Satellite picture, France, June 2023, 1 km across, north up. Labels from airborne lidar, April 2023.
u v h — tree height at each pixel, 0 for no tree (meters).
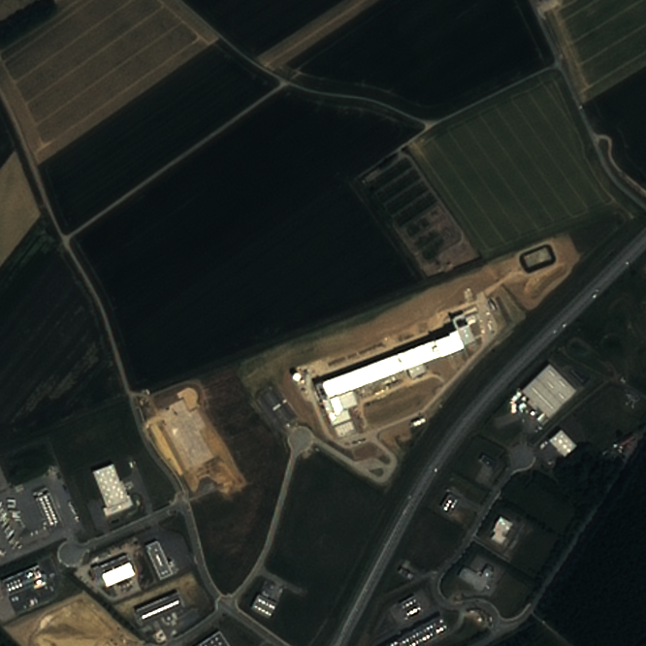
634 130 0
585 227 0
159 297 0
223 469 0
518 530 0
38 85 0
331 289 0
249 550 0
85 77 0
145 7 0
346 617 0
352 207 0
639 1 0
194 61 0
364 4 0
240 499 0
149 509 0
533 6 0
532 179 0
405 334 0
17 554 0
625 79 0
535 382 0
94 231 0
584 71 0
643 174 0
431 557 0
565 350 0
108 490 0
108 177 0
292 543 0
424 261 0
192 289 0
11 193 0
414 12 0
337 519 0
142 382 0
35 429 0
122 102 0
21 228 0
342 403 0
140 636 0
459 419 0
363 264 0
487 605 0
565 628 9
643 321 0
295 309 0
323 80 0
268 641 0
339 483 0
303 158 0
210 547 0
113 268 0
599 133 0
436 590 0
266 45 0
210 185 0
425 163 0
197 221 0
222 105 0
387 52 0
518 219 0
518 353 0
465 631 0
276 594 0
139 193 0
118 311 0
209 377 0
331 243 0
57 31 0
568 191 0
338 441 0
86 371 0
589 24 0
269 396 0
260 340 0
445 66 0
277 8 0
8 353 0
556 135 0
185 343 0
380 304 0
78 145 0
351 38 0
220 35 0
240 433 0
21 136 0
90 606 0
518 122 0
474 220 0
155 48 0
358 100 0
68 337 0
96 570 0
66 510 0
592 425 0
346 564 0
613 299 0
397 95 0
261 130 0
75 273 0
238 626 0
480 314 0
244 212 0
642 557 9
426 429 0
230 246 0
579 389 0
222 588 0
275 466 0
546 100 0
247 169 0
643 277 0
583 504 12
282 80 0
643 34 0
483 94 0
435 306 0
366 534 0
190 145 0
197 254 0
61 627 0
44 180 0
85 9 0
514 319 0
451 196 0
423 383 0
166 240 0
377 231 0
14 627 0
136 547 0
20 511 0
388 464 0
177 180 0
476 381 0
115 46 0
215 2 0
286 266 0
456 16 0
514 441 0
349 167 0
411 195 0
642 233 0
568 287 0
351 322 0
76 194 0
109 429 0
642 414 0
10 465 0
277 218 0
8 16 0
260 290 0
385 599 0
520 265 0
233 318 0
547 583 0
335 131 0
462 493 0
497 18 0
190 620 0
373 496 0
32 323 0
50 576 0
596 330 0
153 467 0
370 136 0
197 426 0
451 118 0
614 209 0
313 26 0
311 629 0
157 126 0
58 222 0
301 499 0
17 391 0
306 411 0
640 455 12
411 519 0
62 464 0
